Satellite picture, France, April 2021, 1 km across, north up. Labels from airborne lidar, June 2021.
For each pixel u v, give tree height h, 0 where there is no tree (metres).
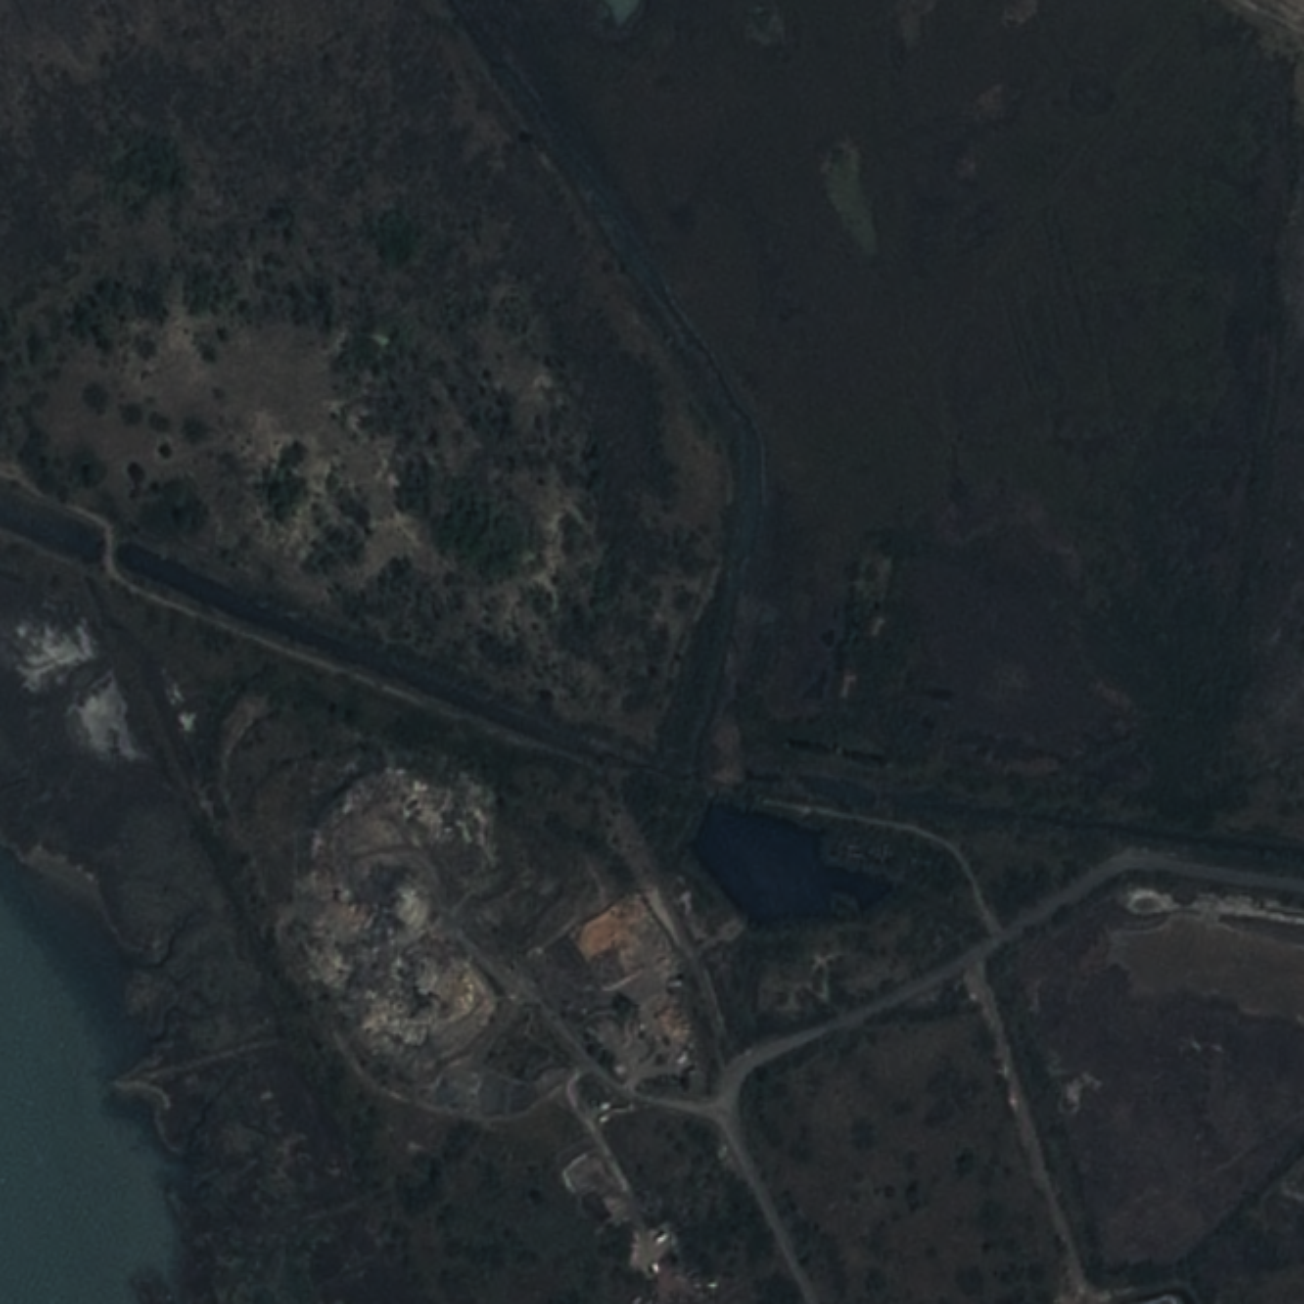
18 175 0
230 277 7
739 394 0
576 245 0
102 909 0
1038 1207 0
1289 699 0
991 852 0
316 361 0
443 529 8
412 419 12
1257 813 0
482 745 0
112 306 9
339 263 0
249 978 0
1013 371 0
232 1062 0
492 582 7
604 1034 0
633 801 7
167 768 0
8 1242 0
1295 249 0
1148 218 0
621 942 0
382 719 0
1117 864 0
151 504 0
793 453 0
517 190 0
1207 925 0
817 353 0
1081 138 0
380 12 0
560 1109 0
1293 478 0
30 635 0
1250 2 0
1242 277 0
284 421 0
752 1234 0
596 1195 0
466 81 0
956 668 0
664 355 0
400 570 10
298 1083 0
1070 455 0
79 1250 0
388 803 0
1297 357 0
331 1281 0
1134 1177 0
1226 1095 0
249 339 0
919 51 0
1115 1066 0
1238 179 0
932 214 0
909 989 0
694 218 0
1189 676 0
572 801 0
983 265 0
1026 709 0
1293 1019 0
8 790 0
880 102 0
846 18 0
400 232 10
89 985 0
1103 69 0
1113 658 0
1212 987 0
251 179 6
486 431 8
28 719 0
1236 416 0
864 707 7
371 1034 0
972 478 0
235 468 0
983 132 0
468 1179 0
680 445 0
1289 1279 0
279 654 0
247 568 0
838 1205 0
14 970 0
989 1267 0
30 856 0
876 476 0
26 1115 0
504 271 0
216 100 0
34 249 0
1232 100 0
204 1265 0
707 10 0
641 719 0
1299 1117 0
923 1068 0
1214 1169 0
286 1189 0
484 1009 0
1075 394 0
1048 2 0
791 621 0
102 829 0
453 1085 0
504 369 0
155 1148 0
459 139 0
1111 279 0
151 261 7
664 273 0
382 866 0
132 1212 0
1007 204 0
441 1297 0
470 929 0
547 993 0
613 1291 0
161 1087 0
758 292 0
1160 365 0
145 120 0
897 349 0
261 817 0
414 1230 0
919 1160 0
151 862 0
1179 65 0
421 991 0
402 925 0
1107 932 0
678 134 0
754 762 0
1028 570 0
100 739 0
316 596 0
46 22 0
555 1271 0
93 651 0
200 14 0
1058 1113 0
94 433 0
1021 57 0
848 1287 0
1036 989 0
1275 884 0
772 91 0
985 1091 0
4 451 0
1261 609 0
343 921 0
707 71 0
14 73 0
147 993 0
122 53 0
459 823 0
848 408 0
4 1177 0
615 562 5
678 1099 0
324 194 0
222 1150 0
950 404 0
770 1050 0
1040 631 0
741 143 0
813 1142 0
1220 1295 0
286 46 0
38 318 0
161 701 0
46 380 0
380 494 0
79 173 0
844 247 0
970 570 0
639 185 0
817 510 0
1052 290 0
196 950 0
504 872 0
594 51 0
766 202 0
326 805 0
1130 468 0
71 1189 0
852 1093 0
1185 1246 0
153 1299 0
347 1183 0
